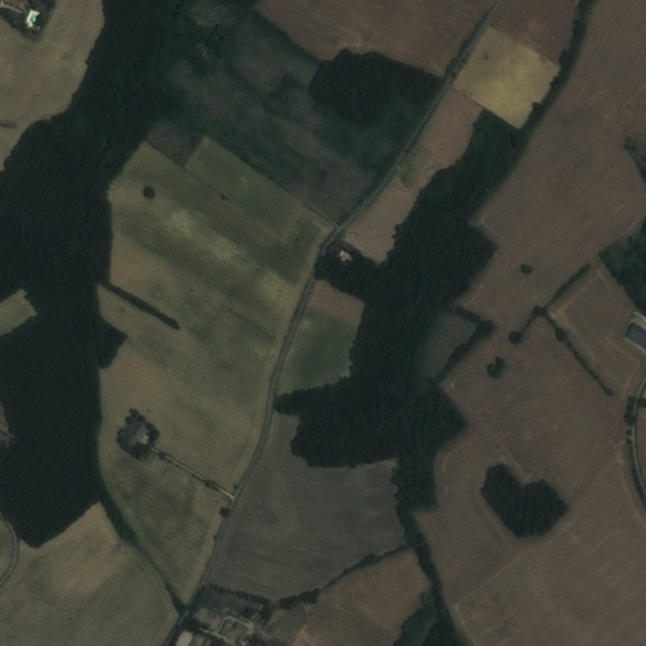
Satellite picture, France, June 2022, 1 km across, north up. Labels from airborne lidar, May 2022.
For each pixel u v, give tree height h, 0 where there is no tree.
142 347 0
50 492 18
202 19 0
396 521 0
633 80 0
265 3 0
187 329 0
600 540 0
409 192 0
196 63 10
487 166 11
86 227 22
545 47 0
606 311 0
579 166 0
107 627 0
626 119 0
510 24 0
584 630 0
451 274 21
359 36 0
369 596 0
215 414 0
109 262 11
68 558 0
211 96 0
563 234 0
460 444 0
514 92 0
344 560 0
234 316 0
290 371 0
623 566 0
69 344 20
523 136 12
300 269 0
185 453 0
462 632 0
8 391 14
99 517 0
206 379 0
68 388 19
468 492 0
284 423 0
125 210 0
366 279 19
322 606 0
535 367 0
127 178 0
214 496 0
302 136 0
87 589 0
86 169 23
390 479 0
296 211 0
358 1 0
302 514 0
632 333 0
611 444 0
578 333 0
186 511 0
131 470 0
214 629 0
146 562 0
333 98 15
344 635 0
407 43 0
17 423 14
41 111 0
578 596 0
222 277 0
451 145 0
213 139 0
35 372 18
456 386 0
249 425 0
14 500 16
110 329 7
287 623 0
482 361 0
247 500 0
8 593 0
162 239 0
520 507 17
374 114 14
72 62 0
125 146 17
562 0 0
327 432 7
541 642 0
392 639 0
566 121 0
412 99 12
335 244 9
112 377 0
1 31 0
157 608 0
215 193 0
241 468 0
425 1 0
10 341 17
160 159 0
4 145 0
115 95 18
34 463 14
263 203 0
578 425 0
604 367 0
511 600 0
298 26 0
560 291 7
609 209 0
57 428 16
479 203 24
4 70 0
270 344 0
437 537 0
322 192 0
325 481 0
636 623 0
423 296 26
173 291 0
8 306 0
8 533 0
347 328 0
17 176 13
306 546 0
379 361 18
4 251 9
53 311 15
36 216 19
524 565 0
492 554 0
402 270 23
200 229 0
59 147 22
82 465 19
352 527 0
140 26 17
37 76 0
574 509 0
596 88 0
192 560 0
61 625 0
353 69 19
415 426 10
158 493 0
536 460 0
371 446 20
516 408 0
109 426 0
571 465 0
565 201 0
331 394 20
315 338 0
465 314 9
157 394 0
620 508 0
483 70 0
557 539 0
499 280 0
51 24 0
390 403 29
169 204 0
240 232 0
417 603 0
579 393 0
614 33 0
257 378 0
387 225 0
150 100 14
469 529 0
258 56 0
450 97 0
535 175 0
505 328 0
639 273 7
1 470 15
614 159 0
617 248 0
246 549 0
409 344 26
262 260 0
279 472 0
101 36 8
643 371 0
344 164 0
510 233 0
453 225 19
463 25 0
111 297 0
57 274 19
